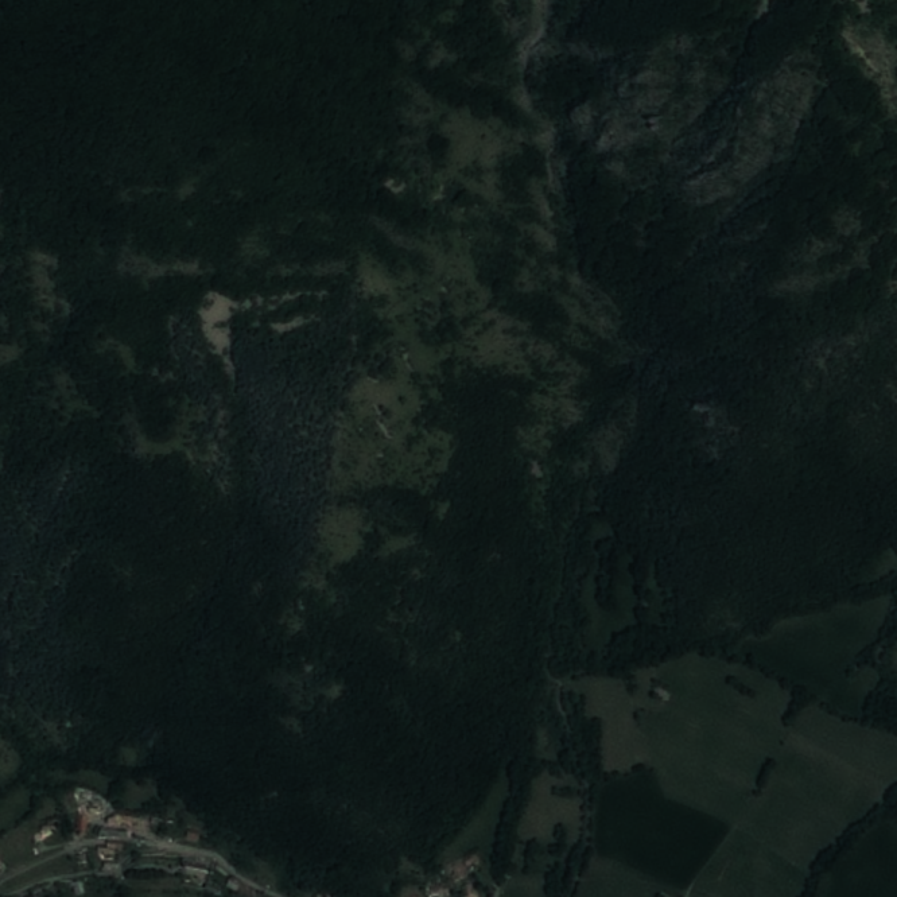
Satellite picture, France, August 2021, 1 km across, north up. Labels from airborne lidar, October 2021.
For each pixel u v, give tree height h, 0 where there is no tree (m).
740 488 14
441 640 7
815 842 0
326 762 12
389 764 22
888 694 9
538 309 6
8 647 10
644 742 0
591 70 11
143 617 9
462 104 9
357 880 8
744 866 0
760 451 10
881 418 8
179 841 0
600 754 7
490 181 0
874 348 7
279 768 15
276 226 7
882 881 0
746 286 8
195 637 8
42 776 6
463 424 10
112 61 10
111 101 13
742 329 7
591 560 12
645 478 14
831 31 16
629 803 0
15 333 12
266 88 17
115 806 9
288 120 13
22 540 9
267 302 7
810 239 8
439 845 10
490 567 8
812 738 0
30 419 6
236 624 14
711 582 8
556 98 12
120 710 13
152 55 8
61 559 10
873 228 15
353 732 13
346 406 10
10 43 24
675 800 0
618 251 19
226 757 17
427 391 10
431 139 7
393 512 12
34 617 8
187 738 15
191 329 9
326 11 20
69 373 8
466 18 11
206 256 5
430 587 12
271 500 12
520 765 12
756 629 11
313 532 11
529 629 17
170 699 17
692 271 14
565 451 10
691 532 13
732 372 15
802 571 13
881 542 8
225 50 21
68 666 14
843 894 0
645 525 12
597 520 13
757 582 12
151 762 10
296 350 16
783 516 15
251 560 9
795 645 0
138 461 6
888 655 11
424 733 15
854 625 0
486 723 16
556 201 10
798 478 12
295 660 12
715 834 0
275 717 10
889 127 10
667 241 19
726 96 6
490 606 13
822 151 11
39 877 0
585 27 16
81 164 13
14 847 0
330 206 10
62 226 16
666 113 9
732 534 9
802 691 12
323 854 18
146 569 8
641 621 15
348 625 11
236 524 10
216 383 8
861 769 0
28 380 8
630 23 15
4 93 18
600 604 11
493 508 10
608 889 0
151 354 7
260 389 8
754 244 12
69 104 20
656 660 13
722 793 0
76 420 8
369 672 13
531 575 16
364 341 8
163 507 11
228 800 17
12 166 15
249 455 7
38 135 11
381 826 8
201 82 14
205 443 6
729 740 0
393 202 19
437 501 9
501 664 17
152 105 11
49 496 11
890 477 9
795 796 0
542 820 0
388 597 8
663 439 15
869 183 18
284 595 10
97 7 16
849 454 10
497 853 13
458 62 7
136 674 9
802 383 12
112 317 6
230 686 9
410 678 11
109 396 8
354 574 13
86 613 10
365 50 24
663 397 15
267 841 17
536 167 7
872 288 20
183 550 13
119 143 9
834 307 17
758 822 0
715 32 8
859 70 9
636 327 10
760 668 7
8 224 9
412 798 16
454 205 11
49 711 9
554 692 6
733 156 7
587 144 11
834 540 10
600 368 7
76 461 11
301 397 14
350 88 15
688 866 0
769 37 21
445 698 14
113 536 9
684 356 14
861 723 8
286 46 19
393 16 10
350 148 6
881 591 7
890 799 15
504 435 11
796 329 11
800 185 17
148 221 10
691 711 0
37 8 19
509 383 8
